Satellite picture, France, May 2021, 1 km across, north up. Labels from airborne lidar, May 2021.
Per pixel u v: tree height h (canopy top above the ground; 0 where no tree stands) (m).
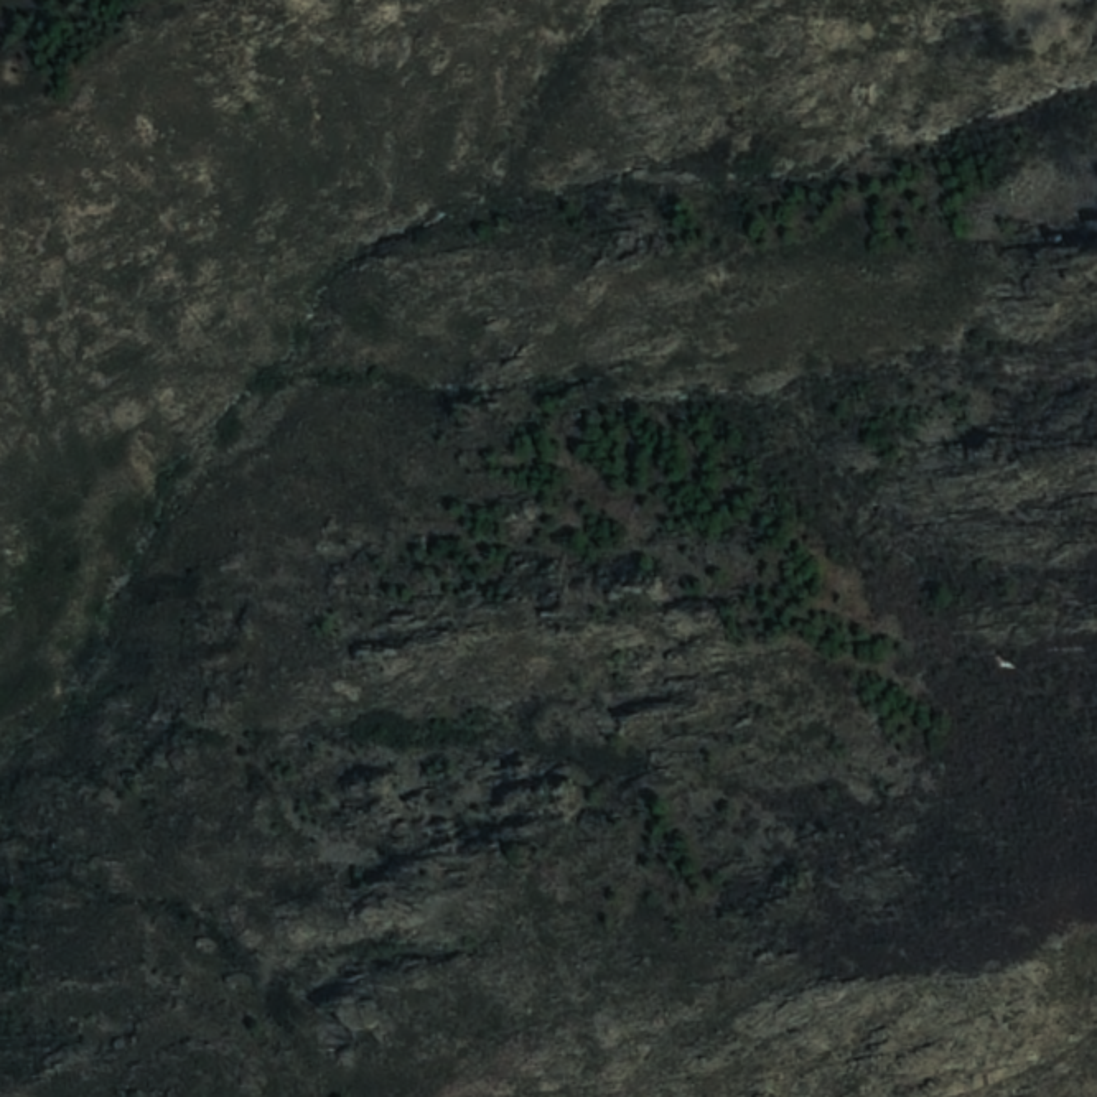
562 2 0
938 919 8
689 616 0
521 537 0
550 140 0
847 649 15
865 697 15
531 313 0
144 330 0
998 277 0
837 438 0
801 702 0
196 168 0
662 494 8
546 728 0
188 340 0
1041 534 0
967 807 6
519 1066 0
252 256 0
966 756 6
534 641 0
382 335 0
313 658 0
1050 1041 0
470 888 0
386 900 0
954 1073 0
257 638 0
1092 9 0
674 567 0
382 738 7
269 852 0
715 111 0
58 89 11
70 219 0
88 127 0
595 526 10
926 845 8
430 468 0
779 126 0
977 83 0
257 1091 0
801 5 0
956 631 9
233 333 0
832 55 0
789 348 0
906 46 0
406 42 0
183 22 0
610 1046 0
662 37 0
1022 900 8
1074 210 0
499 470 11
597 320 0
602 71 0
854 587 0
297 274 0
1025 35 0
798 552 14
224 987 0
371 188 0
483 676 0
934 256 0
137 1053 0
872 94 0
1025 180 0
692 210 7
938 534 6
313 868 0
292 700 0
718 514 14
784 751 0
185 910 6
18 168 0
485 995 0
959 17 0
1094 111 7
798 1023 0
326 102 0
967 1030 0
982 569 13
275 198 0
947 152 6
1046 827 7
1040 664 12
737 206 8
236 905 0
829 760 0
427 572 10
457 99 0
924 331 0
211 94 0
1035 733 9
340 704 0
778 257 0
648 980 0
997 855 9
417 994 0
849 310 0
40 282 0
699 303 0
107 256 0
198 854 0
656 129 0
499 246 0
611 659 5
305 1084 0
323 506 0
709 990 0
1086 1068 0
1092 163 0
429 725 8
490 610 0
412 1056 0
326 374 9
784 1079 0
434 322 0
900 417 7
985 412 0
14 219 0
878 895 0
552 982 0
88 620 0
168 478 10
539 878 0
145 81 0
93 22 9
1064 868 5
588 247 0
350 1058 0
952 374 0
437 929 0
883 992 0
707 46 0
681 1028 0
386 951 9
